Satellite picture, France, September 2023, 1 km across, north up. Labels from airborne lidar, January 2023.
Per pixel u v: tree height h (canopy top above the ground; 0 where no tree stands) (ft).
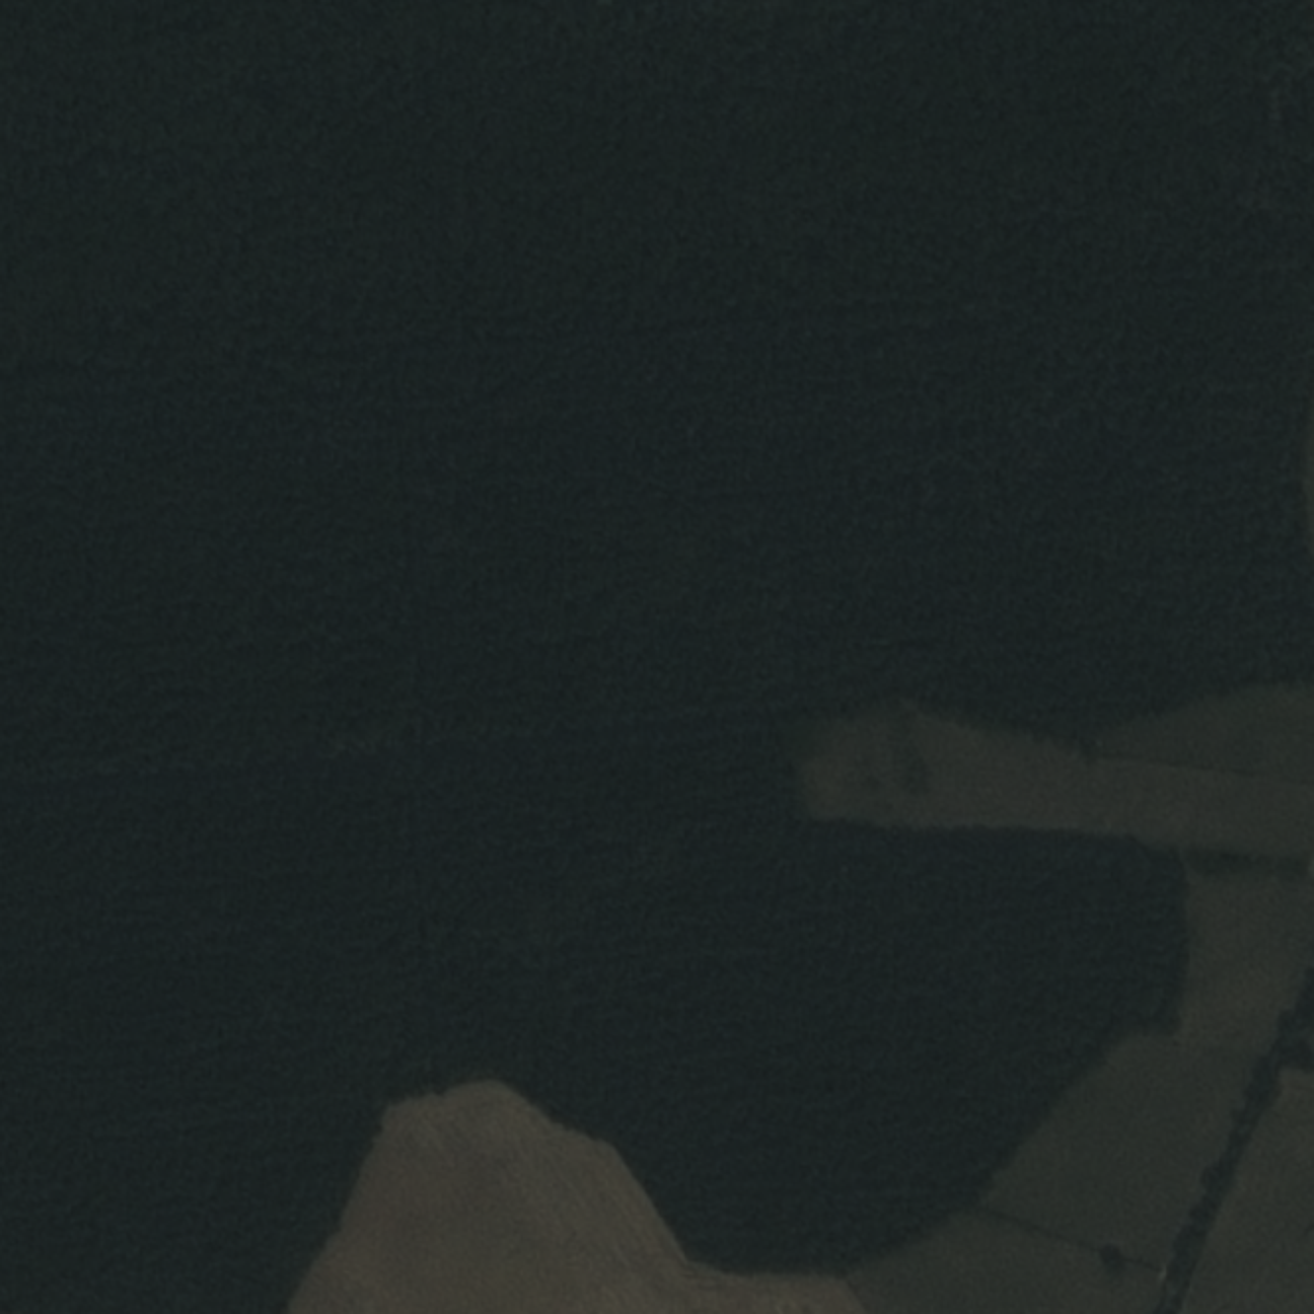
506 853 93
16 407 62
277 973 75
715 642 59
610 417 101
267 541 62
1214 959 0
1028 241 61
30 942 68
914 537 83
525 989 66
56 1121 58
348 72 87
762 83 78
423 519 65
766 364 64
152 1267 73
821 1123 50
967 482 75
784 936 64
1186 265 65
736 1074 62
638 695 59
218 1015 74
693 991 32
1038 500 77
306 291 31
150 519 73
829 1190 56
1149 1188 0
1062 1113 0
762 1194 74
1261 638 39
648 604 55
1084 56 100
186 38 77
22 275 87
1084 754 42
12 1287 45
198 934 79
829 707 68
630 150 88
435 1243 0
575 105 91
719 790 57
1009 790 0
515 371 52
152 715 46
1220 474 68
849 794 0
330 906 78
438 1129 0
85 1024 57
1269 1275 0
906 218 82
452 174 91
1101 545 71
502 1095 0
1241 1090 0
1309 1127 0
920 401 66
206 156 76
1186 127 77
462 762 68
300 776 81
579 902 76
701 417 65
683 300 68
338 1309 0
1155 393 64
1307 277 54
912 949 54
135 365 76
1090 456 61
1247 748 0
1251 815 0
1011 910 84
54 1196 73
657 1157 62
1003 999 60
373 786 80
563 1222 0
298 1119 66
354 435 88
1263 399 56
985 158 73
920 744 0
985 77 94
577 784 71
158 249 78
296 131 84
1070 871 67
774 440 73
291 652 58
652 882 73
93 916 65
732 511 72
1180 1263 31
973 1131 60
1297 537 47
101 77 79
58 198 81
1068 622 67
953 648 70
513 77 95
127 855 59
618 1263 0
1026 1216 0
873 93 92
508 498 68
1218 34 70
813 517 89
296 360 60
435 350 77
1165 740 0
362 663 68
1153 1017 48
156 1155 74
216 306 65
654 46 78
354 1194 0
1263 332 57
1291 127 90
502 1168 0
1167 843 0
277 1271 65
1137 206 71
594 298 62
